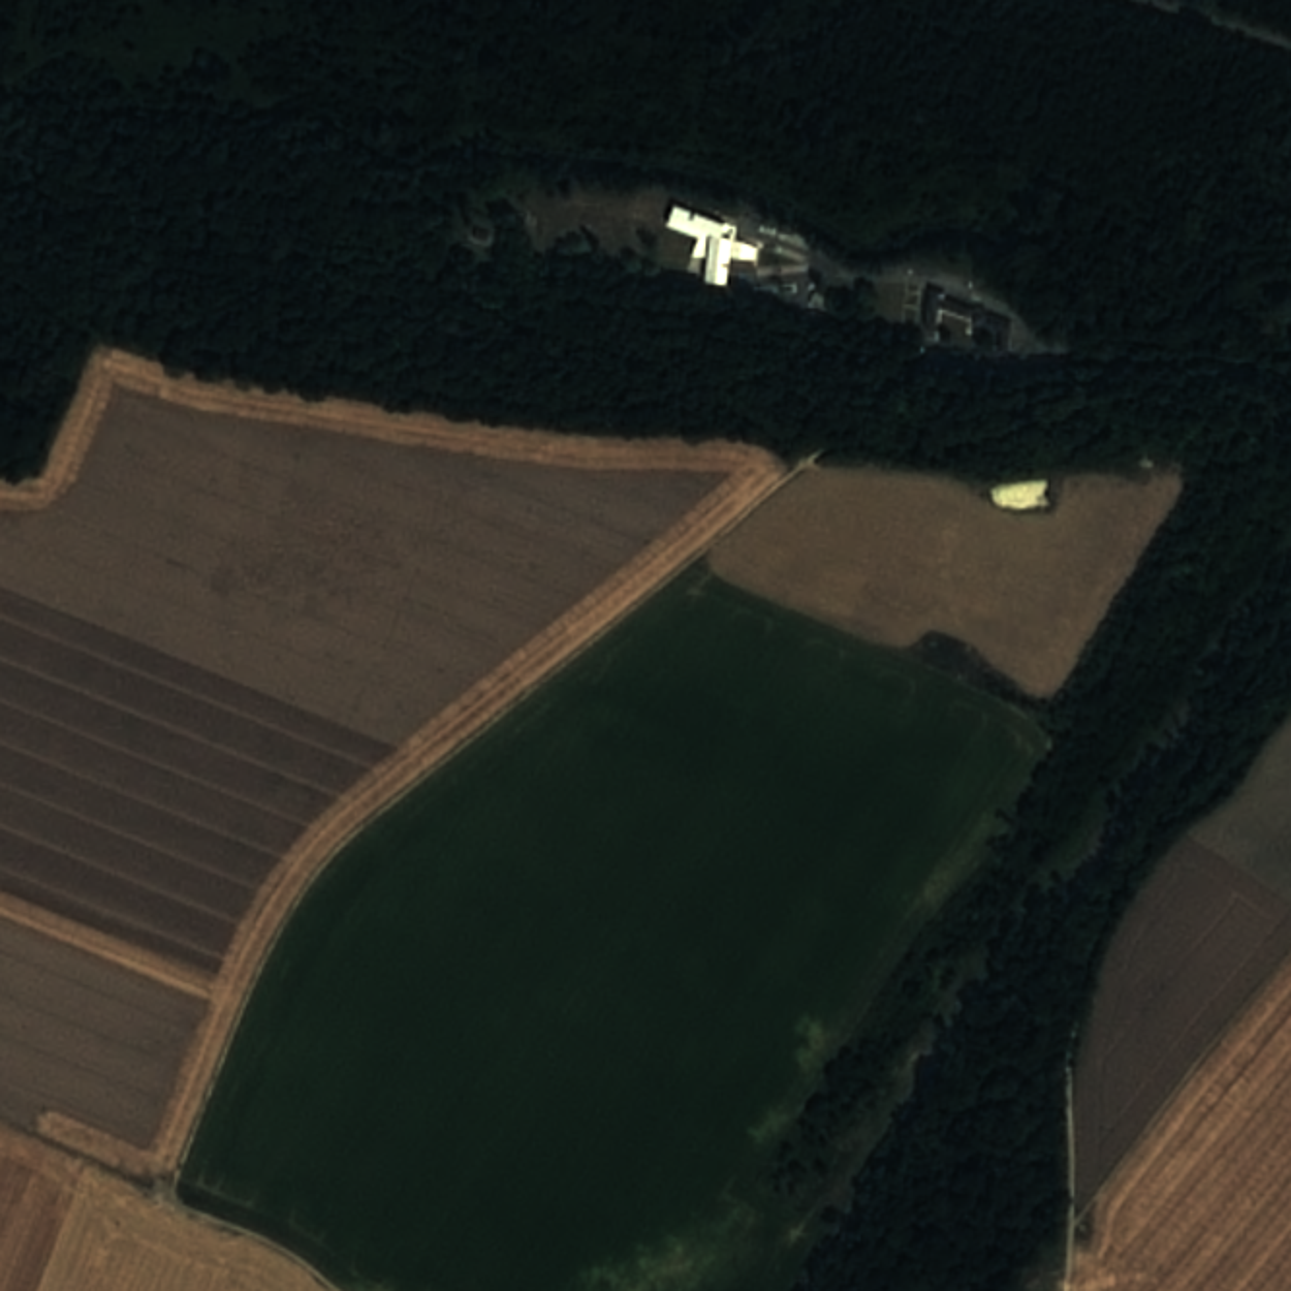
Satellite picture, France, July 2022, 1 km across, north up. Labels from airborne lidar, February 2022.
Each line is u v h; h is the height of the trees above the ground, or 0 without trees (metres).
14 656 0
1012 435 21
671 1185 0
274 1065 0
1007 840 7
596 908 0
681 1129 0
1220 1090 0
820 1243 24
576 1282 0
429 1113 0
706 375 14
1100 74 26
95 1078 0
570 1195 0
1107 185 21
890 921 0
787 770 0
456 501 0
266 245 16
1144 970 0
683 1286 0
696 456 0
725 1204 0
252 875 0
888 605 0
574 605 0
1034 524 0
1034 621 0
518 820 0
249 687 0
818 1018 0
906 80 21
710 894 0
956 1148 21
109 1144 0
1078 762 17
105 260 12
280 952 0
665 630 0
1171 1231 0
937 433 20
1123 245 19
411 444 0
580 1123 0
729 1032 0
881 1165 15
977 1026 29
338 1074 0
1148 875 17
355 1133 0
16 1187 0
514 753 0
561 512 0
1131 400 21
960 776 0
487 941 0
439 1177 0
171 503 0
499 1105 0
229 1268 0
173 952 0
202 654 0
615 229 0
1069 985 23
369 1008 0
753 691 0
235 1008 0
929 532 0
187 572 0
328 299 25
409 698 0
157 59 0
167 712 0
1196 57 21
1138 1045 0
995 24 18
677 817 0
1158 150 20
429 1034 0
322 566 0
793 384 16
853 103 30
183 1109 0
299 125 21
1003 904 26
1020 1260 21
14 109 18
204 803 0
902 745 0
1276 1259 0
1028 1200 24
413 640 0
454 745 0
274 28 0
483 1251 0
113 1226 0
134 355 0
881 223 0
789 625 0
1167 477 0
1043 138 25
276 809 0
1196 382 26
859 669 0
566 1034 0
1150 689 18
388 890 0
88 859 0
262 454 0
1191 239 20
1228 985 0
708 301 22
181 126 22
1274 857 0
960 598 0
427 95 9
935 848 0
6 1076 0
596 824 0
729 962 0
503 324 16
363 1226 0
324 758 0
